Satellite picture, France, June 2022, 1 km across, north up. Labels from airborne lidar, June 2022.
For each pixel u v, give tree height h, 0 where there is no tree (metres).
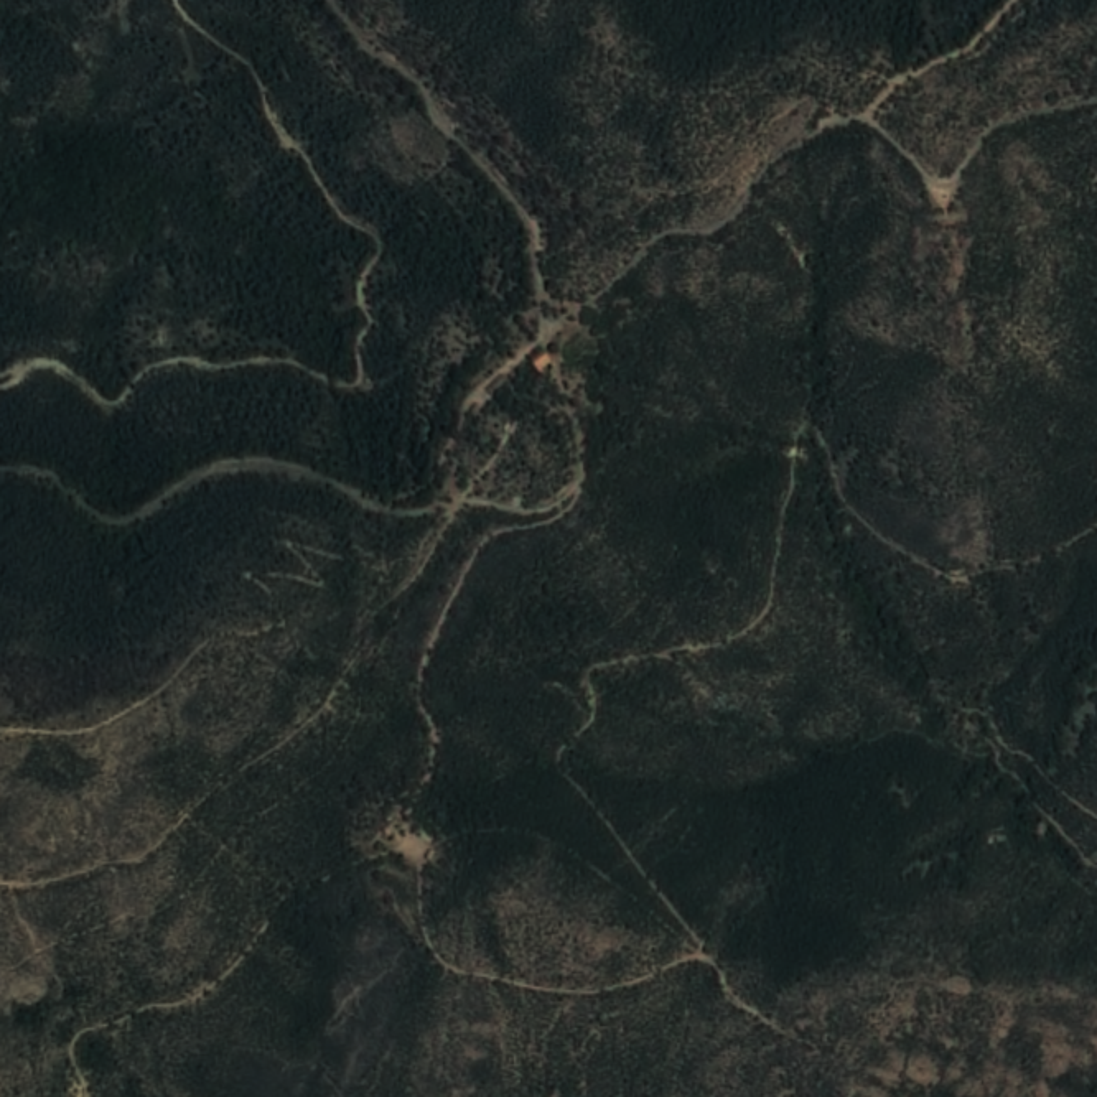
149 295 10
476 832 6
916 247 0
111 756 0
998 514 6
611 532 6
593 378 14
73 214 7
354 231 11
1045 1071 0
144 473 13
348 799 7
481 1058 0
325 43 10
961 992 0
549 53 10
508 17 9
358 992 0
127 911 0
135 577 12
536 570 8
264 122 7
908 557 7
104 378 12
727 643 7
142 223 11
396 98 13
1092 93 11
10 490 9
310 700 6
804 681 6
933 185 0
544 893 0
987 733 12
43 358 9
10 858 0
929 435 0
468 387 7
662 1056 5
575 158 9
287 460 7
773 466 8
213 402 11
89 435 11
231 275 11
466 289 6
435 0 9
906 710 9
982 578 8
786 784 6
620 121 7
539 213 15
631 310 8
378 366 10
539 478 8
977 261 8
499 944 6
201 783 7
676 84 10
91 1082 6
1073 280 6
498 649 7
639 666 7
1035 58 0
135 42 8
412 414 11
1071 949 6
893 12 12
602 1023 7
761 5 9
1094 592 7
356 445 17
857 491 8
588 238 6
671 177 10
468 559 18
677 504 7
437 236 9
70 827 0
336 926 8
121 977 8
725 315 5
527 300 7
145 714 0
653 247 7
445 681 6
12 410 11
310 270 7
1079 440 7
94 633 10
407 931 6
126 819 0
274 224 15
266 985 6
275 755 6
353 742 7
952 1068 0
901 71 10
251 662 6
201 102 12
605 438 8
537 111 9
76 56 9
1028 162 0
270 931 7
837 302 7
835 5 13
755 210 11
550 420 6
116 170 14
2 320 10
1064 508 7
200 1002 6
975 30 9
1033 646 7
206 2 7
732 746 6
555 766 6
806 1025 0
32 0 10
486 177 7
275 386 8
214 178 9
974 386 6
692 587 6
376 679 8
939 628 5
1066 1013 0
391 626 8
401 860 8
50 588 9
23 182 7
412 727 6
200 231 10
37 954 0
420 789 7
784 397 6
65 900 0
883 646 14
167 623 10
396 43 14
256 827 6
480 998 0
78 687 11
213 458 9
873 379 6
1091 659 8
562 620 9
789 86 8
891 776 8
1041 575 7
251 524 7
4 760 0
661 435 7
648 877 6
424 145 0
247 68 11
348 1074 0
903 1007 0
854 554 10
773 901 7
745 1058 0
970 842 9
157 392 8
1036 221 0
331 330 8
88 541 7
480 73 7
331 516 8
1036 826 7
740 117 6
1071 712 8
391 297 7
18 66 13
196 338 8
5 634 7
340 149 10
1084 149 6
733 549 6
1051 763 10
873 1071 0
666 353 6
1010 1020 0
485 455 10
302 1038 6
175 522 7
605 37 0
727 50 10
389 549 6
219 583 7
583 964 0
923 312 6
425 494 10
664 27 9
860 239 5
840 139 12
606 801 7
